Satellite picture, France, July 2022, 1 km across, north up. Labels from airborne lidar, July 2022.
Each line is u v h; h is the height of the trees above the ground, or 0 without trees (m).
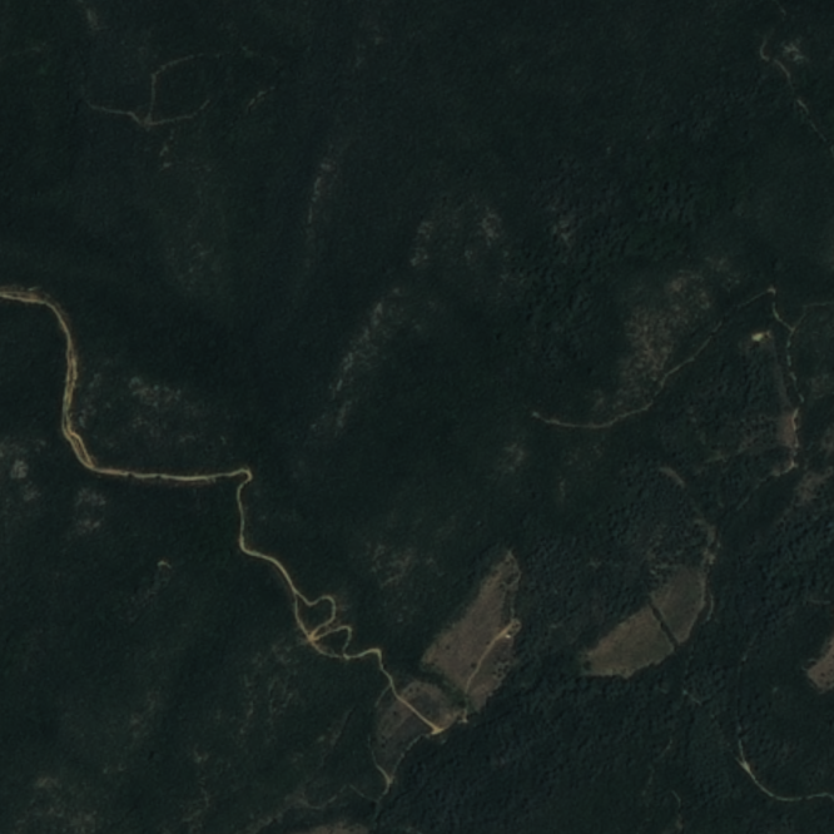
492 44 7
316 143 8
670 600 0
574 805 5
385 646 8
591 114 6
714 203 8
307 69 6
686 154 9
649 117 6
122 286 6
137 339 9
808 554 19
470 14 6
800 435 8
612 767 9
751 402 10
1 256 6
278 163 9
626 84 6
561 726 10
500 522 8
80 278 6
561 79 8
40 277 9
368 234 6
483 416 6
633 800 7
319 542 8
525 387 6
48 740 8
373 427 6
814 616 8
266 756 8
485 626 0
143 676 7
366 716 8
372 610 9
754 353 10
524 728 11
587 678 6
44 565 7
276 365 9
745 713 7
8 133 6
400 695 0
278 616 6
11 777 7
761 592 9
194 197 6
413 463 7
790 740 7
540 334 8
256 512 5
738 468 7
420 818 6
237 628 8
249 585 9
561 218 12
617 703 10
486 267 7
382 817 12
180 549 12
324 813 6
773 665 7
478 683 0
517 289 6
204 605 7
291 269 6
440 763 7
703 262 6
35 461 7
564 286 11
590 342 6
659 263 7
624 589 9
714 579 7
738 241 7
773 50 5
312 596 6
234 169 10
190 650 9
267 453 14
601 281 10
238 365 13
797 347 6
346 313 6
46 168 7
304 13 7
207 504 9
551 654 7
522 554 9
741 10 7
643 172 10
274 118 8
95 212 6
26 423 7
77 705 6
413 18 6
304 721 8
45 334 8
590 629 7
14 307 7
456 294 6
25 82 7
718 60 7
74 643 7
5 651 8
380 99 6
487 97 7
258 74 7
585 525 7
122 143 6
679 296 6
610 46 6
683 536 7
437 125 6
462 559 6
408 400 7
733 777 8
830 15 7
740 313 8
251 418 12
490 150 7
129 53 6
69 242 9
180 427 6
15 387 9
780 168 6
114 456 6
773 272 7
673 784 7
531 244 7
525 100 7
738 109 7
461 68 6
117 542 8
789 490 6
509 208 7
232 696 6
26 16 8
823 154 7
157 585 15
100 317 10
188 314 10
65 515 6
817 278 7
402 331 6
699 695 17
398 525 6
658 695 8
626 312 7
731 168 8
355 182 6
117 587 7
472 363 8
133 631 6
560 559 10
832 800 7
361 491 6
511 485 6
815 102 8
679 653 8
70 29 6
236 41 6
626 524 10
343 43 6
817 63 6
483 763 7
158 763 9
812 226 6
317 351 6
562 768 8
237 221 7
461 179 8
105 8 7
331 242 8
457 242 8
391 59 5
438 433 6
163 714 7
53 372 10
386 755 0
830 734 6
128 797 11
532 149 7
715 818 8
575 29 6
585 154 6
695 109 6
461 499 6
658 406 13
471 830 6
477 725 8
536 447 7
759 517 8
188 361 8
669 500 10
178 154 6
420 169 6
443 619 6
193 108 6
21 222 7
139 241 8
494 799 9
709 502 7
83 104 10
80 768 8
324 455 6
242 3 6
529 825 7
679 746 8
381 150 6
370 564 5
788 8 6
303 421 6
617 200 19
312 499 7
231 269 7
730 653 8
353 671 6
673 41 6
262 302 6
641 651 0
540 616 11
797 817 8
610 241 19
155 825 7
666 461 7
